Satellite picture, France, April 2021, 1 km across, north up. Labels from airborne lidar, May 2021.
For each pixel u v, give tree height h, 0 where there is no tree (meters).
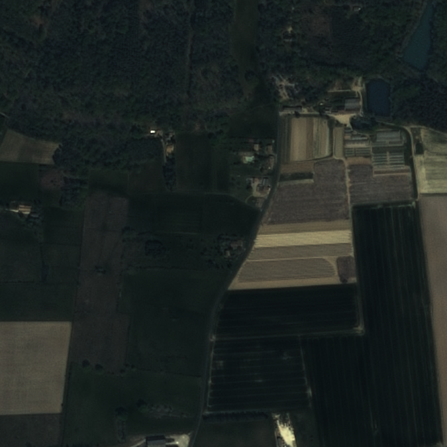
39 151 0
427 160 0
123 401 0
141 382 0
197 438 0
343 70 20
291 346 0
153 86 19
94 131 17
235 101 29
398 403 0
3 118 10
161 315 0
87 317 0
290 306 0
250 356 0
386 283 0
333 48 7
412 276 0
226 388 0
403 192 0
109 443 0
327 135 0
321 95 20
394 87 10
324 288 0
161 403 0
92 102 15
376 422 0
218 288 0
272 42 17
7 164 0
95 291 0
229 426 0
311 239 0
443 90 20
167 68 20
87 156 23
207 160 0
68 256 0
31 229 6
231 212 0
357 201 0
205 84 14
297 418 0
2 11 17
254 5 0
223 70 21
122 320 0
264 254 0
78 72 17
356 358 0
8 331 0
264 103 0
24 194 0
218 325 0
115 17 16
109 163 19
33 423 0
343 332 0
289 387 0
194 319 0
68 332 0
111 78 19
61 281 0
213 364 0
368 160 0
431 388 0
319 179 0
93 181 0
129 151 22
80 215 0
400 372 0
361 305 0
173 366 0
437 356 0
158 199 0
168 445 0
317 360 0
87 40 16
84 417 0
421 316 0
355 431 0
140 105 18
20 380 0
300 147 0
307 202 0
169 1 14
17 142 0
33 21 8
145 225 0
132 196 0
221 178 0
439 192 0
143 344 0
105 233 0
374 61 11
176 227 0
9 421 0
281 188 0
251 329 0
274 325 0
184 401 0
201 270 0
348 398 0
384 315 0
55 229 0
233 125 0
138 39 19
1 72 17
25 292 0
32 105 11
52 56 26
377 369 0
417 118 25
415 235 0
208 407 0
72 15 21
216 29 15
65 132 17
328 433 0
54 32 22
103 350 0
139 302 0
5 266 0
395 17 16
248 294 0
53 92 10
